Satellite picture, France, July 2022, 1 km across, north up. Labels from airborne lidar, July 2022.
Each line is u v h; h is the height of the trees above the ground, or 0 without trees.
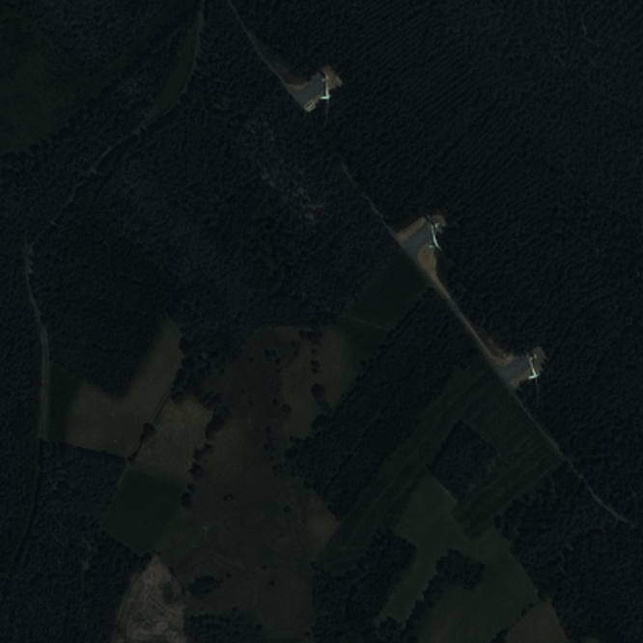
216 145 24
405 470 0
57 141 15
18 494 25
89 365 12
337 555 0
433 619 0
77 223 12
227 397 0
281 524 0
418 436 0
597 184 26
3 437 23
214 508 0
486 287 26
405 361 10
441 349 10
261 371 0
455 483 20
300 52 22
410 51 14
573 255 18
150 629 0
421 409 6
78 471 26
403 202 25
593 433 25
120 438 0
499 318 29
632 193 26
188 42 0
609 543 18
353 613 19
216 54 12
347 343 0
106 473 27
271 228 17
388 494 0
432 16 19
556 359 22
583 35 27
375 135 25
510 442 0
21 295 23
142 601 0
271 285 21
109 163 17
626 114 22
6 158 16
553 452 0
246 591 0
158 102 0
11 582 28
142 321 13
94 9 21
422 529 0
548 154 20
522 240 25
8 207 22
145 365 0
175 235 23
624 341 26
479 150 15
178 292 16
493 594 0
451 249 22
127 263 12
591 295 22
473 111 16
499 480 0
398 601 0
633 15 26
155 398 0
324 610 9
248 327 21
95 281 10
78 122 21
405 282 0
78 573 22
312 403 0
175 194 19
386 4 17
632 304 31
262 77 16
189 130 21
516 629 0
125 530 0
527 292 22
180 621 0
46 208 20
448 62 13
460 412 0
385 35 19
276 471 10
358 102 22
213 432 17
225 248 22
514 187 16
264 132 26
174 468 0
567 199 17
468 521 0
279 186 21
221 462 0
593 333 20
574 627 15
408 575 0
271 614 0
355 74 17
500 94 21
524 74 20
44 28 23
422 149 23
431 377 6
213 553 0
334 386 0
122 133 17
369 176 26
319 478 10
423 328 12
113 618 16
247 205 27
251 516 0
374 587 14
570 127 25
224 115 18
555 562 11
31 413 13
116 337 10
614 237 28
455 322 16
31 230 24
